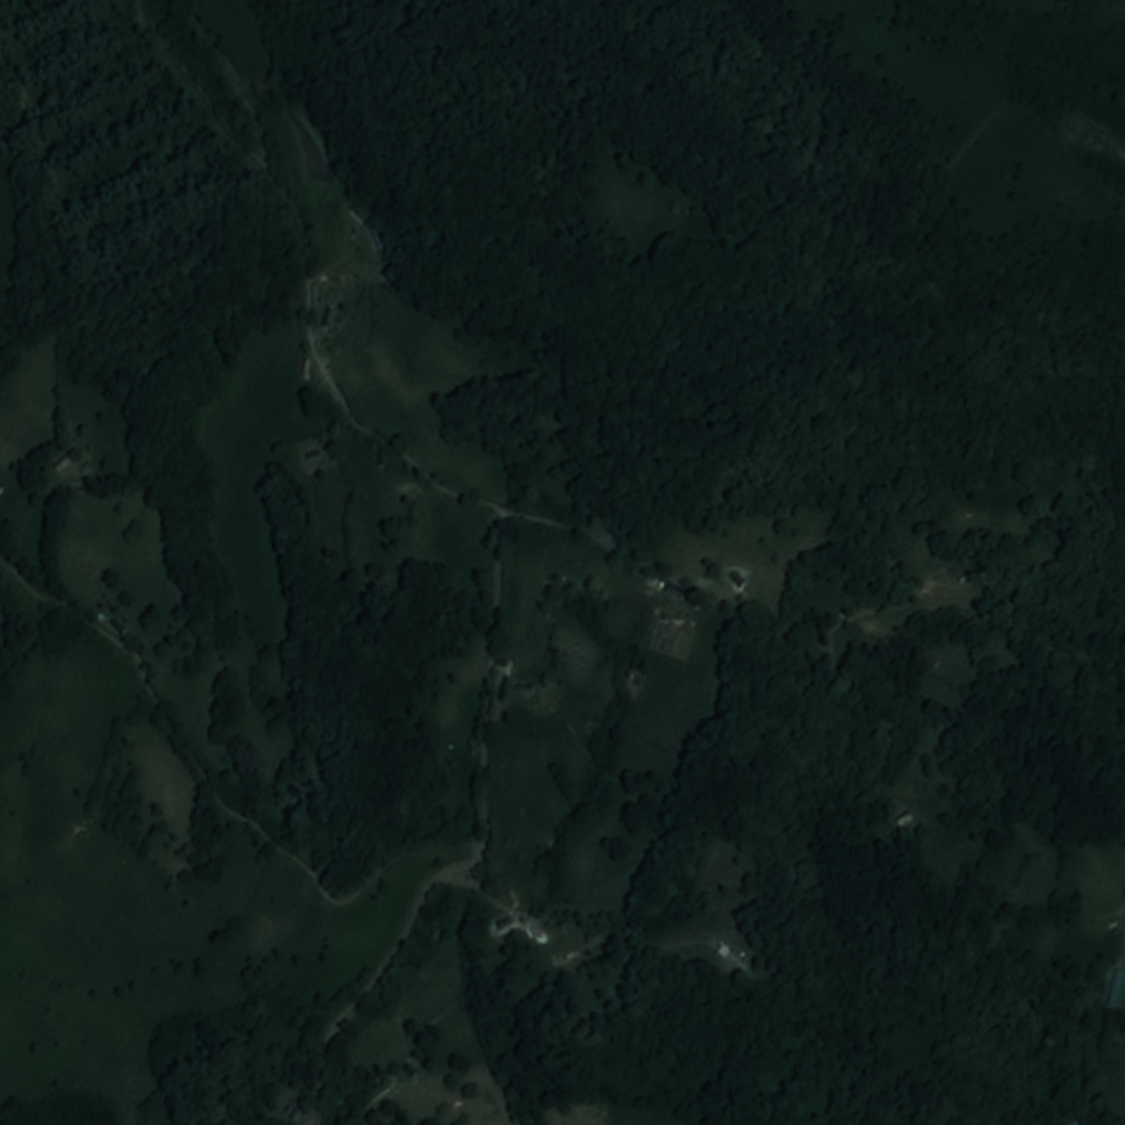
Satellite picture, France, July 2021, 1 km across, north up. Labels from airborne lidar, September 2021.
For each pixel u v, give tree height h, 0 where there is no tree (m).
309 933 0
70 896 0
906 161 15
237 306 26
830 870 22
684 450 24
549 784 0
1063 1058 25
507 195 29
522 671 0
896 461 18
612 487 17
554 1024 22
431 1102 0
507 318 28
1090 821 27
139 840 11
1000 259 7
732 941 0
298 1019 13
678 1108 8
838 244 14
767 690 26
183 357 27
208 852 11
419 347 0
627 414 23
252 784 24
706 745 24
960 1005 17
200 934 0
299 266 23
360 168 21
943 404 11
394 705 24
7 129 8
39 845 0
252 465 0
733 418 23
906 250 14
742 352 20
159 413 38
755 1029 14
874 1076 20
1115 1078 0
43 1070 0
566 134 12
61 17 36
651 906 23
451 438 17
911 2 16
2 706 7
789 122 25
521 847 0
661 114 23
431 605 24
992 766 19
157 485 32
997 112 0
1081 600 18
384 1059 0
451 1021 0
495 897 14
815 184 27
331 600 27
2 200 0
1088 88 11
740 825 20
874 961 20
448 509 0
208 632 24
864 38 0
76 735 0
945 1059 20
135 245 24
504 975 14
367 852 17
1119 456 16
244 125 12
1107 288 9
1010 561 25
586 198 13
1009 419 9
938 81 0
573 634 0
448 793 6
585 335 27
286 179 12
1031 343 11
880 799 10
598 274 29
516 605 0
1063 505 17
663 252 21
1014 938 19
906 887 24
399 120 19
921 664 25
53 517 20
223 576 29
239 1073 17
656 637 0
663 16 20
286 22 8
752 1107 23
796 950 17
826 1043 19
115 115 22
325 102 22
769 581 0
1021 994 17
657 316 25
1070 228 6
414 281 23
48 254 18
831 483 16
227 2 0
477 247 30
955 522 0
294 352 0
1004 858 10
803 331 18
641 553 17
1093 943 0
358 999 19
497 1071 12
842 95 20
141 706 6
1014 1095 19
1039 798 20
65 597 17
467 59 27
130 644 21
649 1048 21
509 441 24
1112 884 0
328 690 24
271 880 0
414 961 9
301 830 30
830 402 9
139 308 25
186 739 10
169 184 34
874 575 21
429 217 29
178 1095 22
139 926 0
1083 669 12
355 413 9
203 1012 6
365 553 0
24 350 8
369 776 29
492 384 17
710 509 6
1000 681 18
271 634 0
